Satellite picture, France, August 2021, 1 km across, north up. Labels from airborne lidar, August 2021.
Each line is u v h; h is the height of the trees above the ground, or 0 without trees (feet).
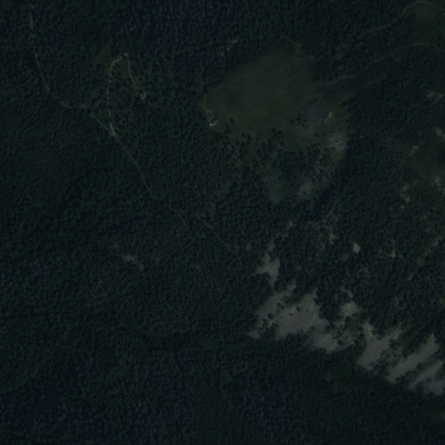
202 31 53
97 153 39
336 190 22
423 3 0
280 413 92
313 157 24
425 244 35
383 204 26
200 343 34
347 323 40
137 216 28
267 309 0
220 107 0
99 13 24
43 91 56
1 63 21
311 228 27
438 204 0
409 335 24
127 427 69
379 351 0
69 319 28
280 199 0
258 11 51
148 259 52
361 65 38
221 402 30
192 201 40
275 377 24
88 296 71
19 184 60
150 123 21
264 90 0
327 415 26
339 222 43
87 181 68
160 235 44
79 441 55
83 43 24
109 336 46
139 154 36
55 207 38
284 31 21
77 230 69
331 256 68
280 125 0
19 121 43
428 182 0
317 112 0
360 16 40
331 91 0
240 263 31
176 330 79
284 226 39
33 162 49
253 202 43
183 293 35
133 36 54
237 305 46
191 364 92
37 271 77
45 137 36
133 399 37
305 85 0
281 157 33
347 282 55
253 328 33
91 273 77
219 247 37
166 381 78
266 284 66
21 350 58
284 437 84
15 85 22
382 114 23
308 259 56
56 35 62
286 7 53
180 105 63
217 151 70
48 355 66
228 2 21
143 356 63
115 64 0
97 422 21
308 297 0
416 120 24
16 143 33
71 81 35
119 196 52
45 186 53
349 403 34
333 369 24
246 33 38
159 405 31
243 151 58
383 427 46
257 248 57
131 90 33
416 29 0
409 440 22
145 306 71
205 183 33
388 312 52
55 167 55
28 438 64
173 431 32
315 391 28
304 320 0
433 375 0
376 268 40
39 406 71
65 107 23
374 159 20
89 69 33
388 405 21
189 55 61
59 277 83
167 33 64
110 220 90
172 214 33
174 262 65
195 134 68
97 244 63
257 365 87
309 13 31
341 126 0
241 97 0
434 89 24
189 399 62
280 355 43
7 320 57
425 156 0
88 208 36
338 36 28
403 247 23
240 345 70
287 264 46
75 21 38
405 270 22
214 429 27
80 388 65
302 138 0
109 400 27
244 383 94
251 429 24
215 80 54
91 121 50
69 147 19
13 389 60
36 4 73
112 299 49
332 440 27
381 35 30
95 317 36
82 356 47
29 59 22
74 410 68
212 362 84
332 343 0
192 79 55
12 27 54
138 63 23
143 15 35
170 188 37
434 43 0
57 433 24
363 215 32
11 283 85
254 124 0
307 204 41
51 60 48
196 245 33
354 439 32
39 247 42
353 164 19
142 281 46
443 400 35
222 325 63
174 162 23
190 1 71
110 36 20
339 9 26
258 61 0
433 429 36
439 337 45
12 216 47
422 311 36
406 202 28
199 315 78
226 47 31
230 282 49
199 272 79
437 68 25
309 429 31
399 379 30
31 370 89
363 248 25
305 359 34
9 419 62
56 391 46
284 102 0
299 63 0
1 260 31
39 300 60
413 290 56
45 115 50
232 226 69
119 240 42
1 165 46
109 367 36
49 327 25
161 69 64
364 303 58
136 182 29
